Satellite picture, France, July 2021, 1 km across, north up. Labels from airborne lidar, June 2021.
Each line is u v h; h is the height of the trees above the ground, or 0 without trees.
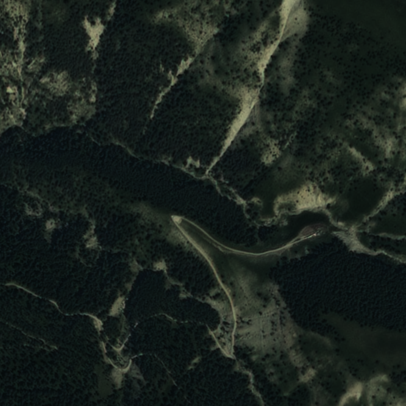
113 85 9
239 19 8
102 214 14
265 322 0
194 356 17
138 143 23
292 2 0
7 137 15
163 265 0
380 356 0
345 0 0
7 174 20
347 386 0
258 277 0
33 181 15
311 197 0
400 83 9
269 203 0
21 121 12
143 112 14
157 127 13
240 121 0
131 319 20
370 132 7
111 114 11
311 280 13
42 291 16
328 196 0
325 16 8
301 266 18
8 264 10
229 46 0
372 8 0
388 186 0
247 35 0
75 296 18
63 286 20
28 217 6
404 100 0
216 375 25
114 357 18
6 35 14
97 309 10
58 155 21
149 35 10
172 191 22
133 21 7
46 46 13
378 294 15
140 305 26
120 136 17
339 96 9
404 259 0
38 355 21
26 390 14
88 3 10
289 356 0
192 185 21
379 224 0
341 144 10
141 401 16
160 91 7
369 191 0
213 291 0
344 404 0
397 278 17
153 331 24
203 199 24
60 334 24
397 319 12
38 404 20
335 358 0
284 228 0
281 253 0
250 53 0
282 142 13
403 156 0
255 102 0
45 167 17
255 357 0
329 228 0
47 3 0
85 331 23
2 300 27
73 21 7
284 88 0
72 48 8
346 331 0
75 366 23
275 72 0
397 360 0
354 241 0
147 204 0
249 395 25
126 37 13
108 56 10
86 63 15
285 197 0
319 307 13
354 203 0
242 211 21
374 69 0
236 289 0
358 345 0
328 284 13
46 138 25
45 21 5
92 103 9
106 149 22
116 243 14
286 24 0
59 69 8
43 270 12
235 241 9
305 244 0
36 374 26
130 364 0
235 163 13
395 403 0
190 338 22
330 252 13
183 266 14
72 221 8
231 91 0
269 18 0
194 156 12
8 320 25
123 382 7
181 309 29
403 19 0
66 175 15
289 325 0
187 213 10
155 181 26
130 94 11
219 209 26
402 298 21
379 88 0
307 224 0
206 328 24
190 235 0
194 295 20
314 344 0
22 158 12
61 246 18
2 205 28
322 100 9
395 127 0
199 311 26
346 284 9
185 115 6
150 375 16
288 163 0
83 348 26
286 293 13
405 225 0
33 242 20
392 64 6
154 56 14
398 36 0
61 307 22
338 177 8
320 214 0
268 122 8
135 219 13
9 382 10
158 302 23
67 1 16
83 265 21
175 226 0
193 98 12
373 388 0
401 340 0
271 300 0
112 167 22
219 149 10
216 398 26
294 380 0
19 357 22
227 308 0
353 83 10
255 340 0
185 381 23
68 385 22
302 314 14
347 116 8
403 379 11
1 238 13
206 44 0
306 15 0
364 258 21
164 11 0
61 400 20
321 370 0
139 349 22
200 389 23
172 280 0
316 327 12
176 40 10
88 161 19
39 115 6
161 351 22
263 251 0
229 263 0
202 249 0
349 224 0
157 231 7
